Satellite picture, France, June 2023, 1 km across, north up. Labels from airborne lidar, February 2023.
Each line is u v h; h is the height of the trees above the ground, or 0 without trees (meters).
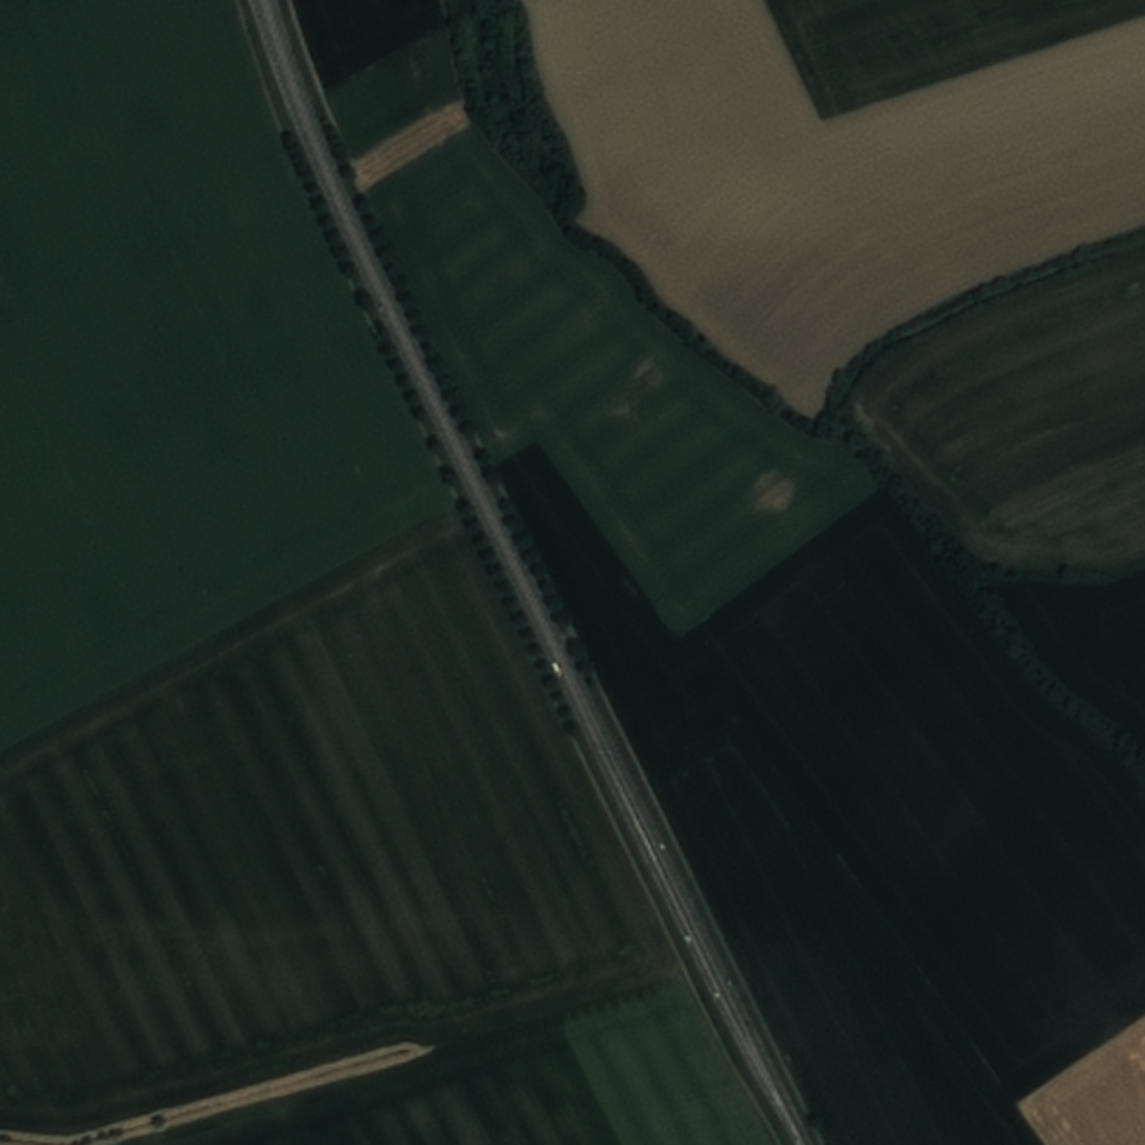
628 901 0
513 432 0
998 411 0
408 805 0
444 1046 0
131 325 0
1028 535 0
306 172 20
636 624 0
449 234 0
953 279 0
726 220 0
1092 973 0
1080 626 0
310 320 0
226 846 0
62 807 0
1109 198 0
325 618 0
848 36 0
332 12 0
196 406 0
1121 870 0
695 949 0
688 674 0
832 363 0
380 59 0
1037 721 0
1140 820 0
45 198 0
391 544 0
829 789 0
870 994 0
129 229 0
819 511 0
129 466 0
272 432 0
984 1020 0
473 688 0
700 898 0
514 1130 0
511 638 0
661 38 0
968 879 0
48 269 0
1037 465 0
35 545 0
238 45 0
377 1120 0
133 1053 0
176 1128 0
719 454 0
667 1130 0
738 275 0
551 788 0
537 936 0
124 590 0
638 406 0
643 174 0
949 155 0
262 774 0
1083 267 7
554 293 0
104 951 0
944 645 0
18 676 0
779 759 0
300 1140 0
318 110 0
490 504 0
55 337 0
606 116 0
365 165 0
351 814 0
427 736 0
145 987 0
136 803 0
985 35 0
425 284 0
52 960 0
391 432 0
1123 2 0
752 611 0
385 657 0
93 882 0
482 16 17
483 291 0
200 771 0
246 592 0
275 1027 0
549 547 0
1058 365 0
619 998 0
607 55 0
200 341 0
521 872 0
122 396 0
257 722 0
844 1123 0
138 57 0
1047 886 0
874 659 0
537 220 0
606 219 0
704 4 0
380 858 0
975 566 16
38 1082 0
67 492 0
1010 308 0
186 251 0
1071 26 0
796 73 0
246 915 0
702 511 0
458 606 0
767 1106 0
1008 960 0
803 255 0
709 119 0
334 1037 0
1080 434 0
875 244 0
